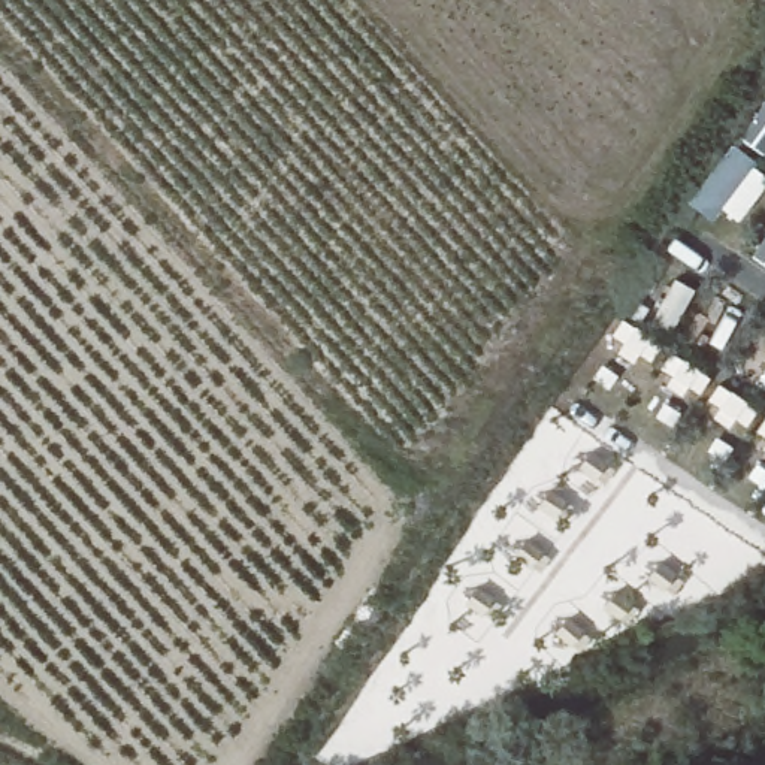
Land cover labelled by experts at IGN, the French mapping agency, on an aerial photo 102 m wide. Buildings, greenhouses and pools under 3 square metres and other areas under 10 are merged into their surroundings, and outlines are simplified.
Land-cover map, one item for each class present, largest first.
<instances>
[{"label":"vineyard","instance_id":"1","mask_svg":"<svg viewBox=\"0 0 765 765\"><path fill-rule=\"evenodd\" d=\"M371 0H0V699L9 708H15L33 729L45 732L57 747H63L84 765H254L266 753L278 726L293 717L299 699L311 690L320 660L329 651L332 631L347 616H356L359 607H371L380 577L391 559V550L400 541V532L388 520L391 493L377 478V472L359 457L353 442L341 433V427H335L326 418V412L317 403L323 400V394L338 391L341 400L353 412H359L365 424L374 427V433H383L385 424L397 430L403 448L430 451L424 433L445 430V418L463 415L466 400L478 397V391L472 388L475 371L481 365L499 362L505 347L526 350V338H520L517 332L514 305L526 299V293L538 284L541 275L559 269L562 254L568 248V230L562 227V221L550 224L544 212H538V188L529 182V176L517 167L514 158L505 155L499 140H493L478 123L466 117L451 87H445V81L433 75L415 54H409L406 39L394 36L383 18L374 15V9L368 6Z\"/></svg>","mask_w":765,"mask_h":765},{"label":"impervious surface","instance_id":"2","mask_svg":"<svg viewBox=\"0 0 765 765\"><path fill-rule=\"evenodd\" d=\"M678 242L696 251L708 266L723 269L726 287L735 290L741 302L750 296L756 302L765 299V263H762V266H747V263H741L720 245H708L696 233L684 230ZM690 302V290L681 284H672L666 290V299L657 305V317L663 326H675L681 320ZM604 347L616 353L619 362H651L657 347L648 344L637 329L622 323L604 335ZM666 383L648 400V412L663 424L678 421V412L669 406L672 397L699 394L708 380L702 371H693L687 362L675 359L666 362ZM711 412L720 424L729 427H732L750 424L756 415L738 394L717 388L711 397ZM613 418L580 415L568 421L562 418V412L547 409L532 439L508 466L505 478L493 487V493L472 517V526L466 529L454 553L442 562L427 601L415 610L409 628L397 637L383 663L371 672L347 717L320 750L323 762L365 759L385 753L397 741H409L418 732L436 729L448 714L460 708H475L493 699L496 693L511 690L514 684L520 687L529 681H541L550 669L568 666L574 654L598 648L610 637L625 634L631 625L654 616L657 607H684L708 595H720L729 583H735L750 568L765 562V523L750 511L729 505L720 493L711 484L696 481L690 472L669 463L648 445L628 442L613 430ZM595 448H610V451H619V454H622V466H619V469H595V466L589 463V451H595ZM499 535L517 541L526 538V550L535 559L523 565L520 574L508 571V559L502 553H496L493 562H469V553L490 547V541H496ZM663 559L687 562L690 580H663L657 574V562ZM508 598H520V613L508 616V622H505V625H496V622L490 619L487 607H490V604H505Z\"/></svg>","mask_w":765,"mask_h":765},{"label":"brushwood","instance_id":"3","mask_svg":"<svg viewBox=\"0 0 765 765\"><path fill-rule=\"evenodd\" d=\"M756 6L744 18H738V30L744 33L735 42L732 69L720 72L711 99L702 102L690 128L666 149L645 197L634 203L625 218H595V233H601L604 254L610 257L604 266L607 299L622 323L637 329L648 344L657 347L669 350L675 359L687 362L693 371H702L708 380L717 388L738 394L756 415H765V385L750 380L747 359L753 356V344L765 338V299L756 302L750 296L741 302L735 290L726 287L723 269L708 266V272L699 275V287L690 290V302L681 320L675 326H663L657 317V305L666 299V290L672 284H681V272L687 266L669 254V245L678 242L684 230L696 233L705 218L699 209L690 206V200L699 194L702 182L723 161L732 143L750 134V120L756 114L765 117V0H753ZM711 302L738 311L729 344L720 350L693 341V323L699 314H708ZM326 412V418L335 427H341V433L353 442L359 457L377 472V478L391 493H421V487L427 484V475L403 457V448L397 430L385 424L383 433H374V427L365 424L359 412H353L341 400L338 391L323 394V400L317 403ZM729 445V454L714 466L711 484L720 493L744 475H750L753 469V442L738 436L732 427H729L723 439ZM672 634L693 637L696 648L690 654H681L678 660L654 663L651 639H663ZM765 744V562L750 568L735 583H729L720 595H708L684 607H657L654 616L631 625L625 634L610 637L598 648L574 654L568 666L550 669L541 681H529L520 687L514 684L511 690L496 693L493 699L475 708H460L448 714L436 729L418 732L409 741H397L385 753L365 759L368 765H687V759L696 750L726 747L753 753Z\"/></svg>","mask_w":765,"mask_h":765},{"label":"herbaceous vegetation","instance_id":"4","mask_svg":"<svg viewBox=\"0 0 765 765\"><path fill-rule=\"evenodd\" d=\"M708 245H720L741 263H750V257H756L759 251H762V248H765V194L741 221L726 218V212L720 218H705L696 233ZM562 227L568 230V248L562 254L559 269L541 275L538 284L526 293V299L514 305L517 332L520 338H526V350L505 347L499 362L481 365L475 371L472 388L478 391V397L466 400L463 415L445 418V430L424 433L430 451L403 448V457L427 475V484L421 487V493H391L388 520L400 532V541L391 550V559L380 577L371 607H359L356 616H347L332 631L329 651L320 660L311 690L299 699L293 717L278 726L266 753L254 765H368L365 759L323 762L320 750L347 717L371 672L383 663L397 637L409 628L415 610L427 601L442 562L454 553L466 529L472 526V517L493 493V487L505 478L508 466L532 439L547 409L562 412V418L568 421L580 415L613 418V430L628 442L648 445L669 463L690 472L696 481L711 484L714 466L729 454V445L723 439L729 427L720 424L711 412V397L717 388L708 380L699 394L672 397L669 406L678 412V421L663 424L648 412V400L666 383V362L675 359L669 350L657 347L651 362H619L616 353L604 347V335L622 323L607 299L604 266L610 257L604 254L601 233H595V218L565 215L562 221ZM669 254L687 266L681 272V284L690 290L699 287V275L708 272V266L696 251L678 242L669 245ZM738 311L711 302L708 314H699L693 323V341L720 350L729 344ZM750 380L765 385V338L753 344V356L747 359ZM738 436L753 442V469L750 475H744L720 493L729 505L750 511L765 523V415H756L750 424L732 427ZM0 765H84L63 747H57L45 732L33 729L15 708H9L0 699Z\"/></svg>","mask_w":765,"mask_h":765},{"label":"agricultural land","instance_id":"5","mask_svg":"<svg viewBox=\"0 0 765 765\"><path fill-rule=\"evenodd\" d=\"M368 6L374 9V15L383 18L394 36L406 39L409 54H415L433 75L445 81V87H451L466 117L478 123L493 140H499L505 155L514 158L517 167L529 176V182L538 188V212H544L550 224L562 221L565 215L595 218H625L634 203L645 197L666 149L690 128L702 102L711 99L720 72L732 69L735 42L744 33L738 30V18H744L756 6L753 0H371Z\"/></svg>","mask_w":765,"mask_h":765},{"label":"building","instance_id":"6","mask_svg":"<svg viewBox=\"0 0 765 765\"><path fill-rule=\"evenodd\" d=\"M765 194V117L756 114L750 120V134L732 143L723 161L702 182L699 194L690 200V206L699 209L705 218H720L726 212V218L741 221ZM762 263H765V248H762V251H759L756 257H750V263H747V266H762Z\"/></svg>","mask_w":765,"mask_h":765},{"label":"deciduous trees","instance_id":"7","mask_svg":"<svg viewBox=\"0 0 765 765\"><path fill-rule=\"evenodd\" d=\"M589 463L595 466V469H619V466H622V454H619V451H610V448H595V451H589ZM496 553H502L508 559V571L520 574L523 565L535 559L526 550V538L517 541L499 535L496 541H490V547L469 553V562H493ZM657 574L663 580H690L687 562L663 559L657 562ZM490 619L496 622V625H505V622H508V616L520 613V598H508L505 604H490V607H487ZM687 765H765V744L753 753L726 747L696 750L687 759Z\"/></svg>","mask_w":765,"mask_h":765},{"label":"water","instance_id":"8","mask_svg":"<svg viewBox=\"0 0 765 765\"><path fill-rule=\"evenodd\" d=\"M696 648L693 637L672 634L663 639H651L654 663L678 660L681 654H690Z\"/></svg>","mask_w":765,"mask_h":765}]
</instances>
